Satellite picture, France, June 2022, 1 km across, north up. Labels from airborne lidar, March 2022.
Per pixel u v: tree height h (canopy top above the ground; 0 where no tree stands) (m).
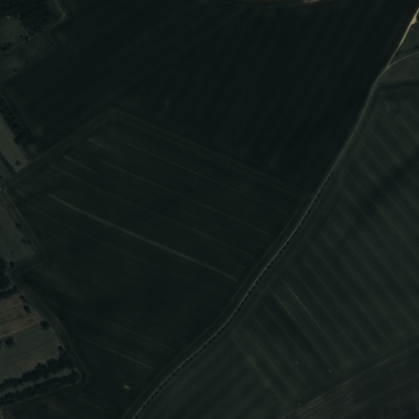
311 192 0
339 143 0
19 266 0
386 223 0
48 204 0
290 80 0
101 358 0
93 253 0
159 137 0
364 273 0
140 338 0
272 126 0
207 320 0
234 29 0
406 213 0
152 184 0
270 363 0
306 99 0
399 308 0
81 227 0
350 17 0
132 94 0
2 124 0
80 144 0
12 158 0
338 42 0
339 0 0
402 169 0
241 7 0
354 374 0
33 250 0
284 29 0
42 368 15
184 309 0
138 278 0
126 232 0
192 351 0
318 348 0
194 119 0
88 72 0
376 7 0
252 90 0
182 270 0
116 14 0
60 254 0
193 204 0
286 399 0
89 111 0
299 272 0
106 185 0
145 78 0
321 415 0
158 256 0
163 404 0
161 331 0
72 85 0
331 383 0
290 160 0
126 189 0
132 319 0
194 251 0
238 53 0
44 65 0
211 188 0
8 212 0
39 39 0
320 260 0
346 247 0
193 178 0
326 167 0
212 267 0
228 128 0
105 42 0
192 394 0
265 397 0
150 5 0
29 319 0
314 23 0
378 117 0
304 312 0
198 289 0
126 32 0
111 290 0
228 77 0
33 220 0
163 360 0
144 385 0
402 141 0
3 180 0
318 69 0
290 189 0
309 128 0
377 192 0
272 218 0
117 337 0
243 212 0
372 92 0
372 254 0
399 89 0
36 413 0
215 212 0
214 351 0
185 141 0
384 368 0
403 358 0
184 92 0
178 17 0
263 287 0
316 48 0
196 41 0
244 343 0
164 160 0
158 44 0
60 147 0
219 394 0
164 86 0
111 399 0
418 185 0
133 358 0
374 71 0
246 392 0
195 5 0
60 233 0
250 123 0
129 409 0
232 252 0
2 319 0
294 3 0
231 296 0
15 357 0
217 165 0
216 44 0
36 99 0
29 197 0
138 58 0
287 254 0
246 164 0
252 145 0
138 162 0
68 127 0
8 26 0
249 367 0
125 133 0
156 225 0
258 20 0
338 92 0
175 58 0
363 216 0
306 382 0
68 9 0
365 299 0
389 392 0
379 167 0
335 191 0
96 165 0
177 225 0
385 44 0
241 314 0
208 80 0
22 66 0
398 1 0
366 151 0
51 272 0
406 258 0
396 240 0
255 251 0
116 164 0
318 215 0
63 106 0
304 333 0
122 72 0
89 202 0
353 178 0
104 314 0
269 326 0
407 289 0
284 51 0
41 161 0
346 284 0
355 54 0
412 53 0
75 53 0
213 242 0
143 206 0
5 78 0
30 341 0
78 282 0
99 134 0
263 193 0
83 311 0
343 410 0
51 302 0
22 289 0
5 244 0
